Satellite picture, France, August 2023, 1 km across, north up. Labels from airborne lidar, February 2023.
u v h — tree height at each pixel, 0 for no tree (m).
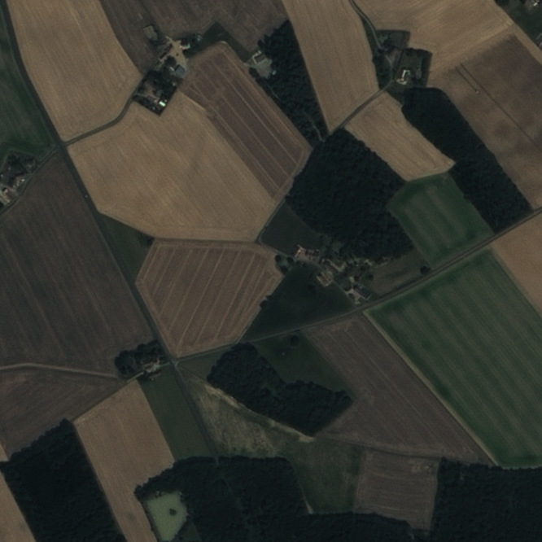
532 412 0
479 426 0
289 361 0
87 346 0
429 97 15
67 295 0
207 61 0
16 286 0
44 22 0
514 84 0
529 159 0
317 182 18
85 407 0
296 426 14
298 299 0
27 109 0
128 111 0
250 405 10
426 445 0
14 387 0
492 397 0
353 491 0
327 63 0
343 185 18
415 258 0
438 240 0
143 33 0
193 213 0
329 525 14
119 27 0
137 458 0
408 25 0
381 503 0
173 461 0
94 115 0
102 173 0
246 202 0
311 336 0
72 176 0
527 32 0
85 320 0
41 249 0
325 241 0
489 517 21
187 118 0
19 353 0
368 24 0
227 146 0
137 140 0
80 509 12
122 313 0
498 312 0
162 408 0
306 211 18
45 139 0
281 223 0
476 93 0
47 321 0
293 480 13
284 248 0
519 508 22
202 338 0
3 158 0
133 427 0
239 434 0
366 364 0
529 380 0
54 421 0
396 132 0
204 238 0
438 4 0
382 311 0
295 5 0
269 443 0
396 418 0
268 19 0
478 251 0
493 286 0
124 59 0
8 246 0
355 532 18
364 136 0
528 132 0
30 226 0
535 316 0
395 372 0
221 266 0
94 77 0
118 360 9
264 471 15
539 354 0
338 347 0
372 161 19
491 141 0
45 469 12
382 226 15
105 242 0
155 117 0
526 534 20
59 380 0
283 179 0
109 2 0
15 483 10
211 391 0
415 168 0
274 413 18
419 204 0
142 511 0
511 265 0
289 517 17
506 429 0
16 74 0
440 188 0
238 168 0
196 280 0
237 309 0
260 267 0
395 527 22
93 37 0
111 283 0
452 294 0
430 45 0
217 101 0
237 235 0
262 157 0
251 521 11
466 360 0
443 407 0
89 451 0
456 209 0
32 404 0
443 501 18
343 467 0
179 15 0
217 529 17
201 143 0
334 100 0
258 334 0
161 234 0
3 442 0
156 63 0
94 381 0
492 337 0
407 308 0
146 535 0
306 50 0
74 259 0
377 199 19
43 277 0
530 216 0
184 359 0
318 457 0
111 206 0
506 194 18
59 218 0
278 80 21
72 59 0
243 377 24
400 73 0
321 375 0
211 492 23
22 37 0
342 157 11
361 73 0
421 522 0
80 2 0
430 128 15
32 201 0
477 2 0
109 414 0
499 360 0
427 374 0
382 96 0
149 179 0
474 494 22
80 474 11
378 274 0
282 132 0
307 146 0
